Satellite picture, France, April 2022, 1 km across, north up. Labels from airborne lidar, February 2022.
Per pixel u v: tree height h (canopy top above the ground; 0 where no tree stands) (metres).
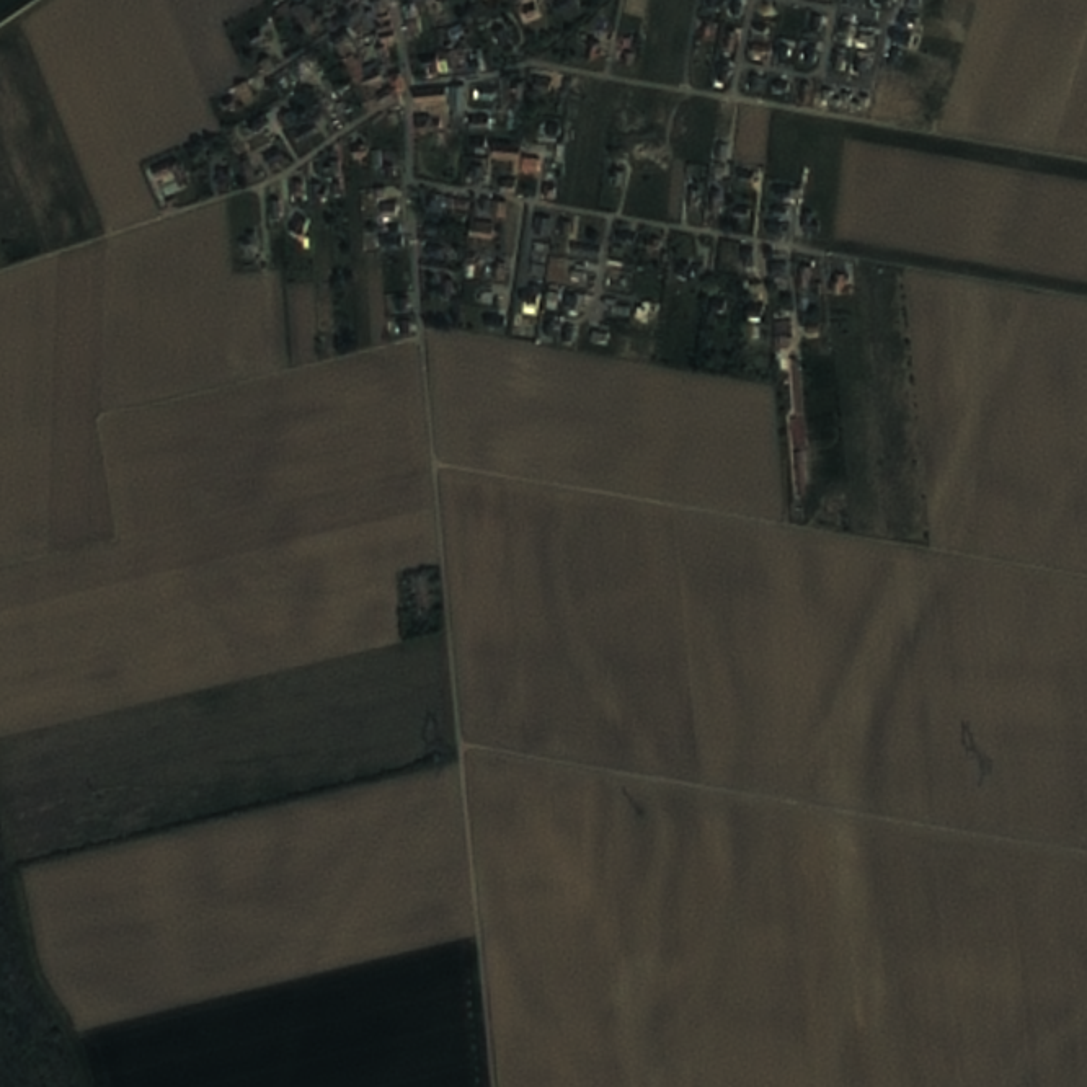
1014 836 0
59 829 0
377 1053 0
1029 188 0
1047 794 0
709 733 0
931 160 0
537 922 0
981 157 0
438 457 0
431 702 0
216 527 0
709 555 0
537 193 0
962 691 0
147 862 0
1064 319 0
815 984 0
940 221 0
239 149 0
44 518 0
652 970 0
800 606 0
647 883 0
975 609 0
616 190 0
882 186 0
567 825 0
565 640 0
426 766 6
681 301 0
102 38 0
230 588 0
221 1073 0
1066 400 0
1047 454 0
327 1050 0
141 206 0
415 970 0
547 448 0
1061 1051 0
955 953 0
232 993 0
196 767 0
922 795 0
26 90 0
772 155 0
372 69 0
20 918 0
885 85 0
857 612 0
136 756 0
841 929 0
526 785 0
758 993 0
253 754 0
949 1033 0
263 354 0
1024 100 0
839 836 0
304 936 0
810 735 0
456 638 0
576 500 0
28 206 0
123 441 0
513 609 0
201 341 0
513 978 0
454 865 0
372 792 0
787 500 0
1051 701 0
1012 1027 0
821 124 0
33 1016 18
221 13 0
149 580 0
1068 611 0
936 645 0
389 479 0
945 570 0
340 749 0
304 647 0
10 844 0
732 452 0
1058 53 0
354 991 0
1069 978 0
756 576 0
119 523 0
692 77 0
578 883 0
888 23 0
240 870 0
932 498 0
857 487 0
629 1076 0
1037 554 0
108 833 0
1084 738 0
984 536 0
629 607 0
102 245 0
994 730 0
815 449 0
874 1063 0
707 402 0
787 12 0
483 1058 0
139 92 0
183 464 0
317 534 0
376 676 0
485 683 0
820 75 0
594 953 0
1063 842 0
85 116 0
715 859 0
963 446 0
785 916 0
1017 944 0
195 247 0
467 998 0
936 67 0
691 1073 0
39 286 0
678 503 0
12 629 0
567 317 0
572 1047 0
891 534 0
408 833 0
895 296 0
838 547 0
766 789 0
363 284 0
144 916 0
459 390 0
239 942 0
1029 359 0
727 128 0
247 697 0
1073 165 0
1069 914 0
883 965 0
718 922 0
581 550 0
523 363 0
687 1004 0
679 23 0
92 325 0
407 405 0
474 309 0
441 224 7
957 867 0
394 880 0
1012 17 0
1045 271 0
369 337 0
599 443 0
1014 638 0
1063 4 0
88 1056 0
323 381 0
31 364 0
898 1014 0
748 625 0
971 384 0
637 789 0
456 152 0
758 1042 0
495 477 0
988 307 0
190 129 0
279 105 0
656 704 0
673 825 0
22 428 0
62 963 0
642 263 8
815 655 0
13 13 0
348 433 0
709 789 0
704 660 0
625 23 0
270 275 0
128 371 0
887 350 0
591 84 0
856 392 0
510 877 0
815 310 9
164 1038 0
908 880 0
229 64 0
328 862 0
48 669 0
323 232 0
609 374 0
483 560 0
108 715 0
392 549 0
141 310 0
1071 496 0
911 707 0
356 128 0
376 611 0
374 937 0
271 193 0
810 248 0
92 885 0
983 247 0
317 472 0
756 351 0
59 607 0
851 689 0
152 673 0
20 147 0
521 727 0
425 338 0
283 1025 0
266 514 0
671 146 0
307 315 0
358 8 11
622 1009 0
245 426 0
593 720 0
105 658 0
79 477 0
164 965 0
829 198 0
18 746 0
